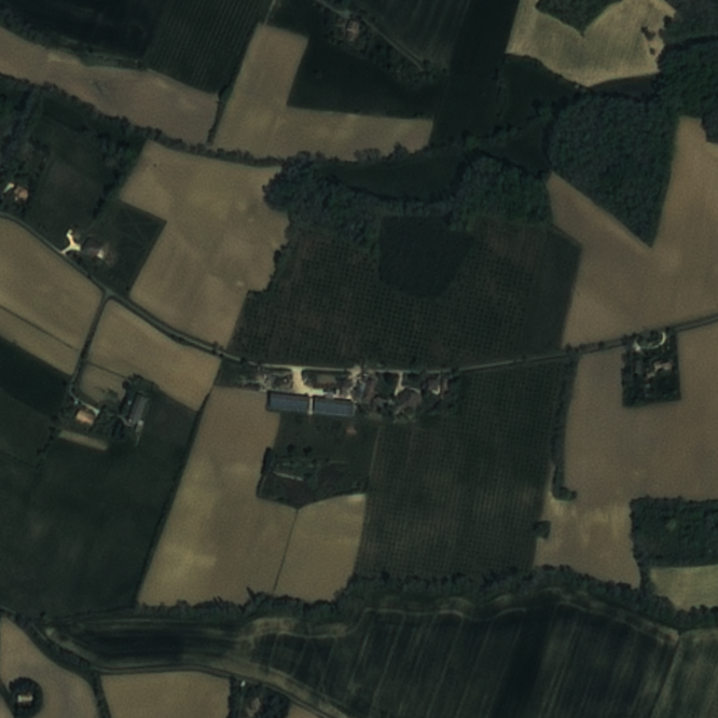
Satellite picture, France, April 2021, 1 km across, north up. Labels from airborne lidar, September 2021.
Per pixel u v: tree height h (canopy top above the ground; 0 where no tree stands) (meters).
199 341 0
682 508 14
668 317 0
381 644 0
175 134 0
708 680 0
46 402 0
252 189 0
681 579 0
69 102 10
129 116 0
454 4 0
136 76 0
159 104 0
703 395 0
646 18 0
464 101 0
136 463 0
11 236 0
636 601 26
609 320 0
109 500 0
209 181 0
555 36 0
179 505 0
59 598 0
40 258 0
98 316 0
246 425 0
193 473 0
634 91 0
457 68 0
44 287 0
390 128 0
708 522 14
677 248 0
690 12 17
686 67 23
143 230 0
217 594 0
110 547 0
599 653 0
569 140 21
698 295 0
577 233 0
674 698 0
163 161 0
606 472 0
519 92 0
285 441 0
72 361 0
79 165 0
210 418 0
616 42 0
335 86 0
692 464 0
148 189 0
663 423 0
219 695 0
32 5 0
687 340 0
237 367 0
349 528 0
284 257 13
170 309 0
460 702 0
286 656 0
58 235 0
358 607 0
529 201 20
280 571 0
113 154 21
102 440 0
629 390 9
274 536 0
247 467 0
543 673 0
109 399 0
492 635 0
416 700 0
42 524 0
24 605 0
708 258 0
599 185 20
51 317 0
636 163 23
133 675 0
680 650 0
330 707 0
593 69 0
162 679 0
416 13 0
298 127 0
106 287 0
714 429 0
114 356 0
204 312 0
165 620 0
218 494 0
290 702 7
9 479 0
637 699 0
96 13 0
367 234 23
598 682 0
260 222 0
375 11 0
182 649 0
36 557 0
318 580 0
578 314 0
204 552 0
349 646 0
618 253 0
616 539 0
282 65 0
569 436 0
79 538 0
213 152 6
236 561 0
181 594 0
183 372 0
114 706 0
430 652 0
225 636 0
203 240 0
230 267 0
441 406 13
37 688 15
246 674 0
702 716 0
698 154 0
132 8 0
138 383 13
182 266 0
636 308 0
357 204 20
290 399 0
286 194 22
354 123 0
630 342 17
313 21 0
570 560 0
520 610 0
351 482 0
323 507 0
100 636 0
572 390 11
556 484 12
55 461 0
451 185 0
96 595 0
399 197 0
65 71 0
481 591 11
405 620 0
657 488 0
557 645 0
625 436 0
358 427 0
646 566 18
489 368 0
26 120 21
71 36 0
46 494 0
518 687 0
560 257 0
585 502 0
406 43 0
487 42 0
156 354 0
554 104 0
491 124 0
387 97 0
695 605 0
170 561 0
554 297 0
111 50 0
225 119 0
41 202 0
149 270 0
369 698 0
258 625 0
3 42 0
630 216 16
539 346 0
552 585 19
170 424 0
